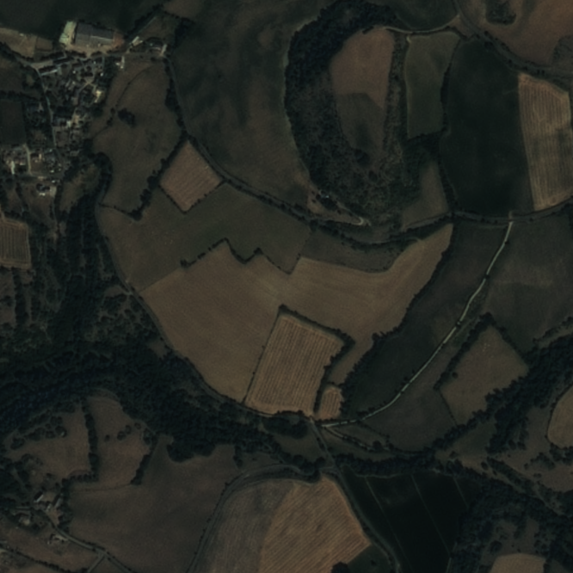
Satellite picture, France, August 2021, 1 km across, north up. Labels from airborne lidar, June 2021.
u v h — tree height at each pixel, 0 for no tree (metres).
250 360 0
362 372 14
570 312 0
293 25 0
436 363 0
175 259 0
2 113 0
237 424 9
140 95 0
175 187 0
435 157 9
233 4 0
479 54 0
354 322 0
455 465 0
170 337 0
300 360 0
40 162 0
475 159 0
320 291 0
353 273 0
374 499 0
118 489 0
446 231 0
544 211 0
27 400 7
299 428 13
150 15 9
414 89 0
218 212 0
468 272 0
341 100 0
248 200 0
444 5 0
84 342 10
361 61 0
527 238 0
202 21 0
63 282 8
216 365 0
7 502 10
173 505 0
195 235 0
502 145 0
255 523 0
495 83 0
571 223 10
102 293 7
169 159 7
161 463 0
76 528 0
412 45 0
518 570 0
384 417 0
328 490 0
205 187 0
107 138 0
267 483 0
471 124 0
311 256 0
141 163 0
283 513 0
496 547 9
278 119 0
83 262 6
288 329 0
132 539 0
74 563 0
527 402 17
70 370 10
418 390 0
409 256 0
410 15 0
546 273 0
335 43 10
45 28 0
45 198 0
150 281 0
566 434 0
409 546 0
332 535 0
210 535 0
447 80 8
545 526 7
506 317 0
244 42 0
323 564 0
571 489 0
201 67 0
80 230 12
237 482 0
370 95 0
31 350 9
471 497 0
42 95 10
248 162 0
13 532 0
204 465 0
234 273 0
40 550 0
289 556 0
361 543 0
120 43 0
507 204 0
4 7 0
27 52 0
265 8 0
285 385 0
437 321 0
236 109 0
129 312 8
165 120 0
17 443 9
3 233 0
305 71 9
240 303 0
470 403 0
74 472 0
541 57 0
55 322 7
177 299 0
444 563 0
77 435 0
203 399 7
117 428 0
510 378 0
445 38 0
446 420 0
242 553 0
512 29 0
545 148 0
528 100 0
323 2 0
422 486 0
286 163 0
